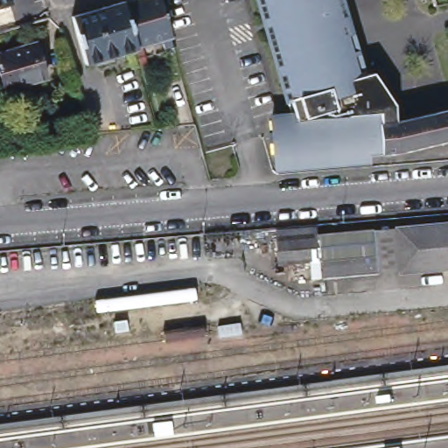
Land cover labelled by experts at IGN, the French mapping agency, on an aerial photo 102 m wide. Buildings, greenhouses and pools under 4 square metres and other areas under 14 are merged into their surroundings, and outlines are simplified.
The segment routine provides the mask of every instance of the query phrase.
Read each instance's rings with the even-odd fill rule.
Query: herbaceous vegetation
[[[401,119],[448,108],[448,30],[441,31],[434,38],[434,51],[441,66],[441,75],[446,82],[427,84],[415,89],[402,89],[401,73],[395,68],[392,59],[388,58],[381,44],[367,44],[362,49],[366,66],[360,73],[380,73],[399,101]]]
[[[7,86],[3,87],[2,93],[16,101],[26,100],[33,103],[40,96],[52,98],[52,93],[63,84],[56,70],[52,72],[51,80],[45,84],[14,82]]]
[[[77,98],[66,94],[54,112],[40,114],[38,122],[44,124],[49,136],[58,136],[56,122],[89,112],[86,107],[80,107]]]

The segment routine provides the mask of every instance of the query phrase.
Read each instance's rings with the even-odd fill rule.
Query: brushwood
[[[406,54],[423,56],[429,52],[427,45],[418,44],[415,38],[409,38],[404,49]]]
[[[448,12],[448,0],[418,0],[418,9],[423,10],[425,14],[436,16]]]
[[[14,33],[0,33],[0,40],[9,42],[12,38],[21,44],[28,44],[37,38],[49,40],[47,26],[24,26],[16,28]]]

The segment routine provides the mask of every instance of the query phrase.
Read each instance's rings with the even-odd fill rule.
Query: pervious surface
[[[66,448],[397,448],[402,441],[409,439],[448,436],[448,402],[423,408],[395,409],[317,422],[234,430],[210,436],[157,439],[152,434]]]
[[[80,229],[79,233],[66,234],[65,240],[0,245],[0,443],[12,439],[126,427],[135,423],[140,425],[150,422],[156,425],[170,422],[171,427],[175,429],[184,418],[371,394],[381,387],[402,390],[448,383],[448,306],[401,308],[392,311],[353,311],[346,315],[317,315],[311,318],[292,317],[283,311],[261,310],[259,317],[255,318],[250,310],[243,310],[240,313],[240,301],[229,299],[229,287],[233,285],[234,280],[247,278],[257,285],[269,287],[271,294],[276,296],[294,299],[297,303],[310,303],[311,299],[324,301],[338,299],[341,296],[336,276],[325,276],[322,273],[322,250],[318,248],[280,250],[276,240],[276,229],[206,234],[206,226],[201,226],[199,222],[184,222],[182,226],[173,227],[173,231],[163,233],[124,234],[101,238],[98,231],[87,233]]]

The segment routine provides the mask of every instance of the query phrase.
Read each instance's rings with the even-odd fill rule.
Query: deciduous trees
[[[75,73],[72,54],[65,38],[56,38],[52,49],[56,59],[56,70],[63,84],[52,93],[52,98],[40,96],[33,103],[26,100],[16,101],[2,93],[3,87],[7,86],[3,82],[0,84],[0,159],[9,159],[12,156],[52,156],[61,150],[93,147],[100,140],[98,131],[101,129],[101,112],[94,115],[89,112],[56,122],[58,136],[49,136],[44,124],[38,122],[40,114],[54,112],[66,94],[77,98],[82,96],[82,79]]]
[[[138,89],[142,91],[140,103],[145,103],[145,108],[149,110],[149,119],[147,122],[121,126],[124,133],[135,133],[140,136],[138,140],[142,142],[163,138],[163,131],[178,124],[177,105],[168,93],[173,80],[171,59],[152,56],[147,59],[145,65],[133,72],[133,75],[138,77]]]

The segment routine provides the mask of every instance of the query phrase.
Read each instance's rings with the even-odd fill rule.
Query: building
[[[7,86],[14,82],[45,84],[51,80],[52,72],[56,70],[56,59],[52,49],[49,47],[49,40],[37,38],[28,44],[21,44],[12,38],[9,42],[0,40],[0,84],[3,82]]]
[[[171,40],[177,42],[177,28],[168,16],[168,12],[177,9],[173,0],[89,0],[73,14],[72,23],[68,24],[68,30],[72,31],[77,42],[82,65],[89,65],[89,58],[93,61],[103,61],[117,56],[126,58],[142,45],[164,40],[168,33]]]
[[[443,273],[448,271],[448,222],[325,234],[318,233],[315,227],[276,229],[276,240],[280,250],[318,248],[322,250],[322,273],[325,276],[336,276],[376,271],[383,273],[390,268],[394,268],[395,273],[402,275],[408,275],[413,271],[425,273],[432,269],[441,269]]]
[[[353,28],[346,0],[268,0],[266,3],[269,17],[264,21],[264,30],[275,30],[276,42],[283,59],[283,66],[280,66],[276,73],[289,77],[289,89],[292,94],[292,101],[289,103],[292,114],[273,115],[271,131],[273,143],[276,145],[276,152],[273,154],[275,175],[289,178],[292,171],[369,164],[373,163],[376,157],[388,159],[439,156],[439,150],[448,145],[448,108],[401,119],[399,101],[380,73],[360,73],[366,66],[362,49]]]

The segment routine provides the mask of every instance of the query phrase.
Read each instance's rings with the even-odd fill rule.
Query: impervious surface
[[[448,436],[409,439],[402,441],[397,448],[448,448]]]
[[[441,66],[434,51],[434,38],[441,31],[448,30],[448,12],[436,16],[425,14],[423,10],[418,9],[418,0],[346,0],[353,28],[362,49],[367,44],[381,44],[388,58],[392,59],[395,68],[401,73],[402,89],[415,89],[427,84],[446,82],[441,75]],[[409,38],[415,38],[418,44],[427,45],[429,52],[423,56],[406,54],[404,49]]]
[[[448,306],[448,271],[443,273],[441,269],[432,269],[425,273],[413,271],[408,275],[402,275],[395,273],[394,268],[390,268],[383,273],[376,271],[336,276],[341,296],[338,299],[324,301],[311,299],[310,303],[297,303],[294,299],[276,296],[271,294],[269,287],[257,285],[247,278],[234,280],[233,285],[229,287],[229,299],[240,301],[240,313],[243,310],[250,310],[255,318],[259,317],[261,310],[283,311],[292,317],[311,318],[317,315],[346,315],[353,311],[392,311],[401,308]]]
[[[177,9],[168,12],[168,16],[177,28],[177,42],[171,40],[168,33],[164,40],[142,45],[126,58],[117,56],[103,61],[93,61],[89,58],[89,65],[82,65],[77,42],[72,31],[68,30],[68,24],[72,23],[73,14],[89,0],[0,0],[0,33],[14,33],[16,28],[24,26],[47,26],[49,40],[49,47],[52,49],[56,38],[65,38],[72,54],[75,73],[82,79],[82,96],[77,98],[80,107],[86,107],[89,112],[94,115],[101,112],[101,129],[98,131],[100,140],[93,147],[61,150],[52,156],[12,156],[9,159],[0,159],[0,245],[65,240],[66,234],[79,233],[80,229],[87,233],[98,231],[101,238],[124,234],[163,233],[173,231],[173,227],[182,226],[184,222],[199,222],[201,226],[206,226],[206,234],[276,229],[315,227],[318,233],[325,234],[448,222],[448,145],[439,150],[439,156],[388,159],[376,157],[373,163],[369,164],[292,171],[289,178],[275,175],[273,154],[276,152],[276,145],[273,143],[271,131],[273,115],[292,114],[289,103],[292,101],[292,94],[289,89],[289,77],[276,73],[280,66],[283,66],[283,59],[276,42],[275,30],[264,30],[264,21],[269,17],[266,3],[268,0],[173,0]],[[147,59],[152,56],[171,59],[173,80],[168,93],[177,105],[178,124],[163,131],[163,138],[142,142],[138,140],[140,136],[135,133],[124,133],[121,126],[147,122],[149,119],[149,110],[145,108],[145,103],[140,103],[142,91],[138,89],[138,77],[133,75],[133,72],[145,65]]]
[[[171,427],[170,422],[156,425],[150,422],[140,425],[135,423],[126,427],[12,439],[0,443],[0,448],[66,448],[152,434],[157,439],[210,436],[234,430],[317,422],[395,409],[423,408],[448,402],[448,383],[402,390],[381,387],[371,394],[184,418],[175,429]]]

